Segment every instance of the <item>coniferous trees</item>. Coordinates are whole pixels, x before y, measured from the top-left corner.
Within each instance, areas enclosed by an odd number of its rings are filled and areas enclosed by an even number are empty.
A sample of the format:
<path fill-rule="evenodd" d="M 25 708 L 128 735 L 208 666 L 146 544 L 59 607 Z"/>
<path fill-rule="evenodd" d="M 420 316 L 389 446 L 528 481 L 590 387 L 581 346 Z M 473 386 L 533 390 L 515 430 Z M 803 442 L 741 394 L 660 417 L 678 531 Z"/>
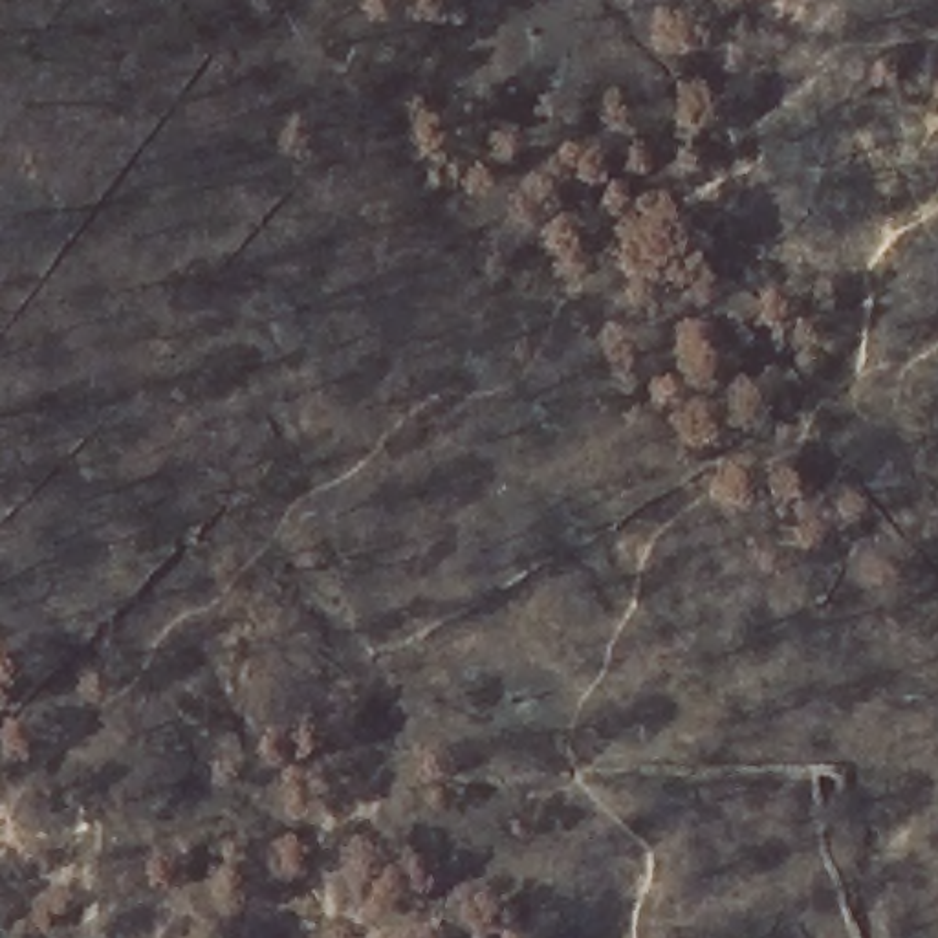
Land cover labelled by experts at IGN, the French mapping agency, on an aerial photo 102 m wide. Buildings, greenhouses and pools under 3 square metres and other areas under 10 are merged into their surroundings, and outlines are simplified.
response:
<path fill-rule="evenodd" d="M 220 854 L 213 854 L 209 846 L 194 843 L 191 854 L 180 854 L 176 865 L 165 872 L 176 883 L 176 890 L 165 901 L 165 909 L 172 916 L 191 920 L 187 938 L 308 938 L 300 916 L 282 912 L 282 901 L 315 890 L 337 894 L 348 883 L 359 887 L 359 905 L 374 920 L 385 920 L 392 912 L 440 916 L 440 931 L 429 938 L 627 938 L 634 901 L 619 890 L 601 894 L 597 905 L 586 905 L 579 894 L 561 894 L 557 887 L 535 879 L 524 883 L 502 876 L 491 890 L 476 890 L 465 879 L 447 898 L 432 901 L 432 876 L 421 872 L 418 854 L 377 857 L 363 839 L 352 839 L 337 857 L 330 846 L 319 843 L 319 828 L 333 832 L 333 813 L 326 810 L 326 780 L 319 780 L 319 755 L 311 751 L 311 733 L 297 733 L 297 740 L 282 736 L 278 744 L 256 744 L 256 755 L 245 762 L 235 736 L 220 736 L 213 755 L 209 802 L 216 802 L 220 810 L 238 810 L 249 821 L 249 843 L 242 854 L 231 843 L 224 843 Z"/>
<path fill-rule="evenodd" d="M 828 487 L 810 495 L 799 487 L 799 476 L 791 469 L 802 443 L 813 436 L 813 418 L 802 410 L 821 396 L 850 392 L 854 355 L 861 341 L 865 271 L 835 275 L 817 271 L 810 264 L 784 264 L 780 209 L 762 183 L 736 180 L 707 202 L 696 198 L 696 187 L 711 176 L 696 165 L 693 150 L 696 132 L 707 128 L 714 117 L 714 103 L 704 81 L 689 81 L 682 70 L 682 59 L 689 55 L 685 22 L 674 11 L 660 7 L 652 11 L 652 51 L 641 70 L 641 84 L 634 84 L 630 92 L 605 95 L 605 114 L 590 110 L 575 121 L 557 106 L 550 117 L 539 114 L 531 128 L 495 132 L 491 150 L 476 158 L 473 169 L 443 154 L 443 143 L 436 136 L 436 114 L 425 110 L 418 95 L 407 99 L 407 117 L 414 128 L 418 154 L 425 158 L 429 187 L 465 187 L 469 202 L 476 205 L 476 227 L 491 235 L 484 264 L 458 267 L 458 282 L 465 289 L 498 289 L 513 271 L 531 271 L 535 286 L 553 304 L 568 308 L 583 322 L 586 366 L 579 370 L 579 399 L 590 418 L 590 429 L 597 436 L 612 436 L 619 447 L 638 447 L 652 440 L 671 476 L 682 480 L 682 491 L 689 498 L 685 506 L 707 506 L 707 524 L 725 539 L 733 564 L 755 586 L 751 605 L 780 616 L 802 608 L 806 586 L 799 583 L 799 572 L 813 568 L 821 557 L 843 561 L 854 542 L 868 539 L 865 524 L 857 520 L 861 495 L 839 495 L 835 487 Z"/>
<path fill-rule="evenodd" d="M 0 791 L 37 773 L 37 755 L 18 736 L 18 674 L 11 652 L 0 645 Z"/>

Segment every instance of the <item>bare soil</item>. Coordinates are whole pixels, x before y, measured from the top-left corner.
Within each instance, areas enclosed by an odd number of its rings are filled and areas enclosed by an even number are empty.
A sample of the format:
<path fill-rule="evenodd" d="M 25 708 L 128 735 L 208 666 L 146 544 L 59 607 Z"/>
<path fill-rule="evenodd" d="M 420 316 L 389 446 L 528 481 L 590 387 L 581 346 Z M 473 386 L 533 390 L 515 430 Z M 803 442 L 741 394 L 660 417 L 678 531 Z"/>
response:
<path fill-rule="evenodd" d="M 586 366 L 583 322 L 568 308 L 553 304 L 535 286 L 531 271 L 513 271 L 498 289 L 465 289 L 458 282 L 458 267 L 484 264 L 491 235 L 476 227 L 476 205 L 469 202 L 465 187 L 429 187 L 425 158 L 418 154 L 414 128 L 407 117 L 407 99 L 418 95 L 425 110 L 436 114 L 436 136 L 443 143 L 443 154 L 473 169 L 476 158 L 491 150 L 495 132 L 531 128 L 539 114 L 550 117 L 557 106 L 575 121 L 590 110 L 605 114 L 605 95 L 630 92 L 634 84 L 641 84 L 641 70 L 652 51 L 652 11 L 660 7 L 674 11 L 685 22 L 689 55 L 682 59 L 682 70 L 689 81 L 704 81 L 714 103 L 714 117 L 707 128 L 696 132 L 693 150 L 696 165 L 711 176 L 696 187 L 696 198 L 707 202 L 736 180 L 762 183 L 780 209 L 784 264 L 810 264 L 817 271 L 835 275 L 865 271 L 861 341 L 854 355 L 850 392 L 821 396 L 802 410 L 813 418 L 813 436 L 802 443 L 791 469 L 799 476 L 799 487 L 810 495 L 828 487 L 835 487 L 839 495 L 861 495 L 857 520 L 865 524 L 868 539 L 854 542 L 843 561 L 821 557 L 813 568 L 799 572 L 799 583 L 806 586 L 802 608 L 780 616 L 751 605 L 755 586 L 733 564 L 725 539 L 707 524 L 707 506 L 685 506 L 689 498 L 682 491 L 682 480 L 671 476 L 652 440 L 638 447 L 619 447 L 612 436 L 597 436 L 590 429 L 590 418 L 579 399 L 579 370 Z M 0 791 L 0 938 L 187 938 L 191 920 L 172 916 L 165 909 L 165 901 L 176 890 L 176 883 L 165 872 L 176 865 L 180 854 L 191 854 L 194 843 L 209 846 L 213 854 L 220 854 L 224 843 L 231 843 L 242 854 L 249 843 L 249 821 L 238 810 L 220 810 L 216 802 L 209 802 L 213 755 L 220 736 L 235 736 L 245 762 L 256 755 L 256 744 L 278 744 L 282 736 L 297 740 L 297 733 L 311 733 L 311 751 L 319 755 L 319 780 L 326 780 L 326 810 L 333 813 L 333 832 L 319 828 L 319 843 L 330 846 L 337 857 L 352 839 L 363 839 L 377 857 L 418 854 L 421 872 L 432 876 L 432 901 L 447 898 L 465 879 L 476 890 L 491 890 L 502 876 L 524 883 L 535 879 L 557 887 L 561 894 L 579 894 L 586 905 L 597 905 L 601 894 L 619 890 L 634 901 L 627 938 L 938 938 L 938 0 L 0 0 L 0 645 L 11 652 L 18 674 L 18 736 L 37 755 L 37 773 Z"/>
<path fill-rule="evenodd" d="M 348 883 L 337 894 L 315 890 L 282 901 L 282 912 L 300 916 L 308 938 L 429 938 L 440 931 L 440 916 L 392 912 L 385 920 L 374 920 L 359 905 L 359 887 Z"/>

